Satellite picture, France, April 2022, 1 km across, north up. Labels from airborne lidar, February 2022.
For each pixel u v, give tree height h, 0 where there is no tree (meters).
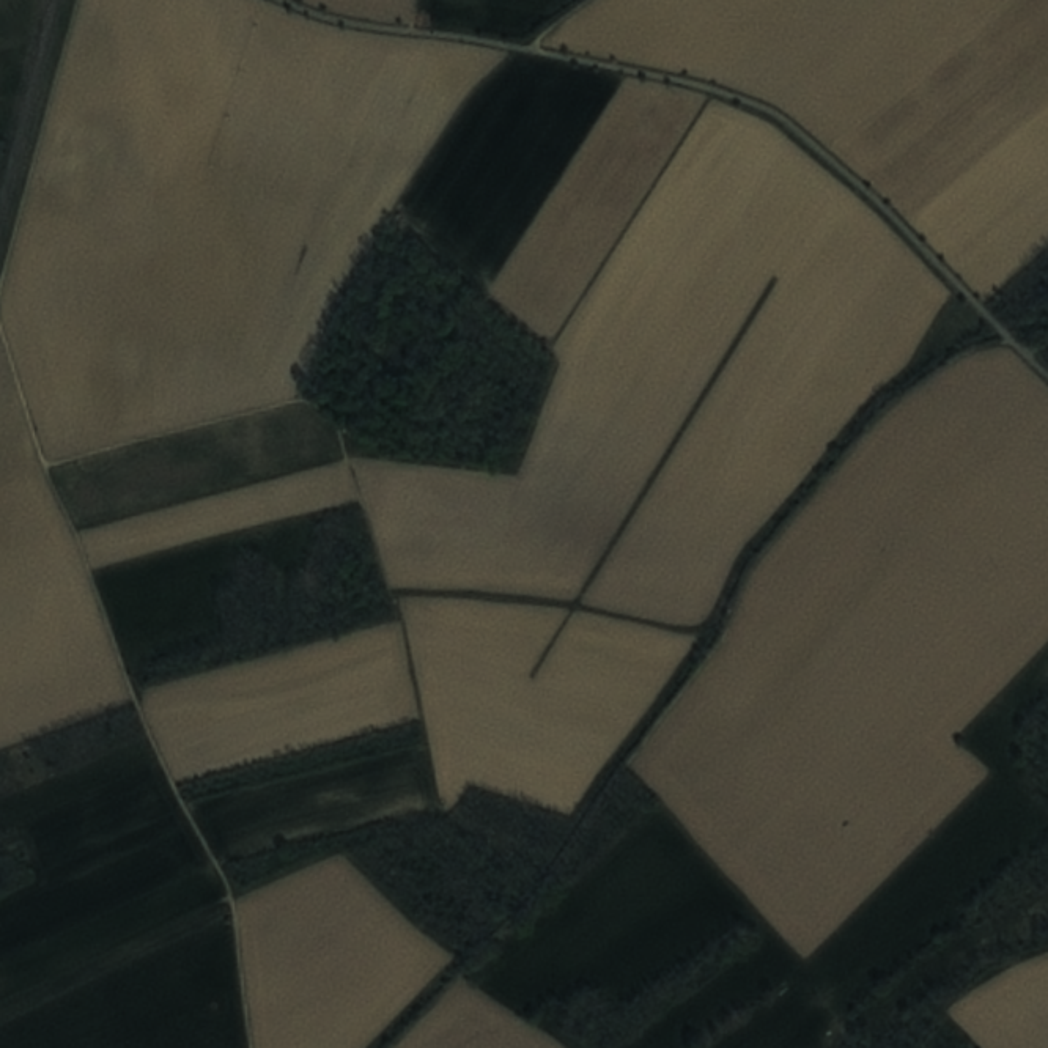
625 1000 12
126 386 0
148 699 0
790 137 0
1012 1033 0
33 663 0
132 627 0
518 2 0
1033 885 19
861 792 0
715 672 0
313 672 0
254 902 0
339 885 0
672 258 0
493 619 0
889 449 0
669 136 0
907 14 0
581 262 0
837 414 0
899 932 0
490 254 0
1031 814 0
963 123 0
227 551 0
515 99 0
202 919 0
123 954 0
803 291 0
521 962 0
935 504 0
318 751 7
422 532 0
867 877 0
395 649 0
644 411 0
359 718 0
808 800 0
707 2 0
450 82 0
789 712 0
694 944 0
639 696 0
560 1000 12
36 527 0
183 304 0
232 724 0
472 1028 0
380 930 0
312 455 0
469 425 14
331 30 0
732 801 0
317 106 0
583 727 0
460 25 0
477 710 0
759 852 0
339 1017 0
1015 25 0
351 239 0
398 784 0
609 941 0
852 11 0
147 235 0
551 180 0
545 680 0
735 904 0
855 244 0
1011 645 0
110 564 0
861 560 0
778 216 0
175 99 0
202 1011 0
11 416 0
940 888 0
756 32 0
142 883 0
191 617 0
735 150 0
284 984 0
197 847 0
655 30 0
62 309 0
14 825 0
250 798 0
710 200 0
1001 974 0
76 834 0
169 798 0
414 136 0
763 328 0
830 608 0
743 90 0
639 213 0
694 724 0
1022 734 15
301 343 0
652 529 0
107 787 0
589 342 0
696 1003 0
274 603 24
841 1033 0
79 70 0
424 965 0
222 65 0
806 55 0
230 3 0
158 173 0
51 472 0
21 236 0
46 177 0
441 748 0
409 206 0
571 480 0
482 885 22
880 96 0
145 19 0
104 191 0
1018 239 0
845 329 0
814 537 0
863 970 0
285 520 0
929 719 0
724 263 0
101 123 0
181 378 0
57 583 0
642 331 0
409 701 0
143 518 0
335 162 0
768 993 17
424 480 0
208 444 0
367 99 0
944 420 0
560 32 0
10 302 0
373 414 25
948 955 0
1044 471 0
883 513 0
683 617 0
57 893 0
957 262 0
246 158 0
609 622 0
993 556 0
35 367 0
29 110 0
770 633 0
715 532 0
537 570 0
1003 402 0
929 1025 18
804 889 0
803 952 0
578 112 0
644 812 8
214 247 0
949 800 0
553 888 24
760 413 0
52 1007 0
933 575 0
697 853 0
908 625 0
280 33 0
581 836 16
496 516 0
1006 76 0
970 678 0
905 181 0
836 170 0
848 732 0
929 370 10
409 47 0
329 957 0
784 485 0
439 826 23
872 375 0
